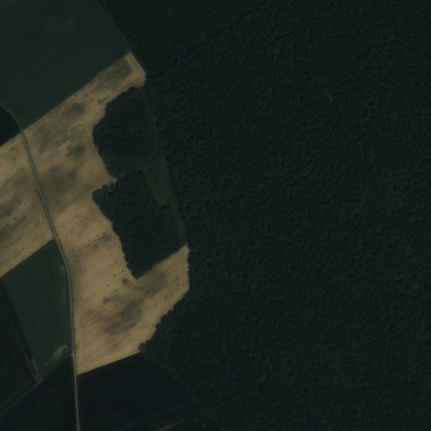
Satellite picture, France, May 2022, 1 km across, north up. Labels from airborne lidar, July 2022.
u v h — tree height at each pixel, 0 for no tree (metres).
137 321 0
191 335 30
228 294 29
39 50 0
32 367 0
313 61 30
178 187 22
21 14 0
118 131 29
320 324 29
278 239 24
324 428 29
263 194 22
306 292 29
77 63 0
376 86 23
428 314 19
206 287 20
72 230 0
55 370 0
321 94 30
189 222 25
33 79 0
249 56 21
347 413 22
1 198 0
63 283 0
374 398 29
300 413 24
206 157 27
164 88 26
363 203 23
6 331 0
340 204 23
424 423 29
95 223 0
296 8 22
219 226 24
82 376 0
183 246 0
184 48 7
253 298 27
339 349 26
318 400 26
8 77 0
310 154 26
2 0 0
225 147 28
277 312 26
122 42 0
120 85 0
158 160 0
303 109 29
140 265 20
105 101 0
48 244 0
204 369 29
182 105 25
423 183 24
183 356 29
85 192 0
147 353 15
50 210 0
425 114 15
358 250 16
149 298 0
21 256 0
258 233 22
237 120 22
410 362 23
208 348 28
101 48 0
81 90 0
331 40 27
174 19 7
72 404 0
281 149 28
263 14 23
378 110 28
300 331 25
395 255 24
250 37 24
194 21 9
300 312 23
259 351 32
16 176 0
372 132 28
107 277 0
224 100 23
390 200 25
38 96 0
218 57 26
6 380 0
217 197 28
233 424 19
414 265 26
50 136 0
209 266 27
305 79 26
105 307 0
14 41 0
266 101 24
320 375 29
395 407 30
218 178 27
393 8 30
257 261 18
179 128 21
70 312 0
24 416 0
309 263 31
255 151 25
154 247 26
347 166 28
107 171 16
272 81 26
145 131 29
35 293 0
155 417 0
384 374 30
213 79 23
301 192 22
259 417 24
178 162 24
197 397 25
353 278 27
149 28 6
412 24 28
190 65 27
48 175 0
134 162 22
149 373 0
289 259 26
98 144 21
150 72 8
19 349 0
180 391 0
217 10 9
